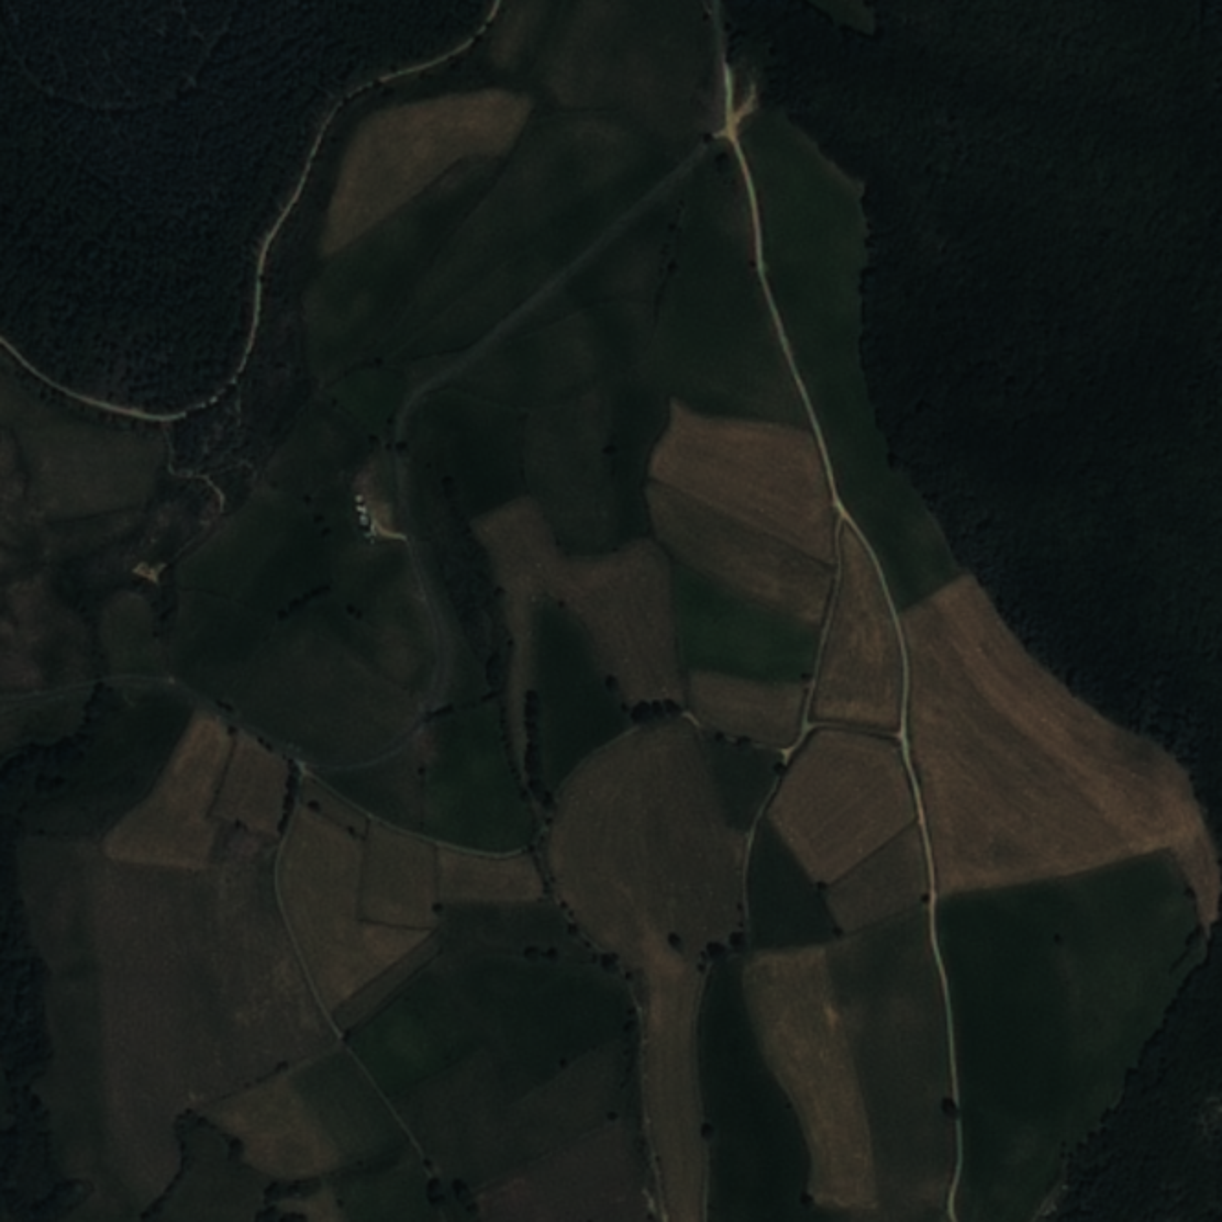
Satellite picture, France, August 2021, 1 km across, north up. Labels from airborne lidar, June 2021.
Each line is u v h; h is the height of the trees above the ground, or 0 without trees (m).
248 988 0
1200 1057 14
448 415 0
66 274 7
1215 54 22
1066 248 19
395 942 0
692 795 0
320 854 0
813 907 0
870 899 0
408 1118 0
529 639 0
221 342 18
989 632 0
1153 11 21
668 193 0
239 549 0
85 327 16
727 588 0
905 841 0
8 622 0
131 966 0
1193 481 14
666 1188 0
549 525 0
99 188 18
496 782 0
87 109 12
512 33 0
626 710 10
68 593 0
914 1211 0
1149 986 0
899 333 17
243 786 0
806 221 0
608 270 0
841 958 0
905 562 0
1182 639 12
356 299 0
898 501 0
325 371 0
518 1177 0
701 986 0
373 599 0
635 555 0
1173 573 11
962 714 0
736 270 0
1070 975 0
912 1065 0
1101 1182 10
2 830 15
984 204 20
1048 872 0
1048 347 27
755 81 0
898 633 0
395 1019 0
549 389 0
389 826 0
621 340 0
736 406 0
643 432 0
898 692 0
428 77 8
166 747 0
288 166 10
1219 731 11
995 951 0
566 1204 0
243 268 14
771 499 0
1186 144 20
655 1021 0
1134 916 0
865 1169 0
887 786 0
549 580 0
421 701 0
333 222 0
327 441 0
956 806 0
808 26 23
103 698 14
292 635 0
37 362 14
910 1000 0
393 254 0
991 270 23
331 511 0
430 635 0
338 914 0
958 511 9
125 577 0
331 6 19
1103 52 19
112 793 0
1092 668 10
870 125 11
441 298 0
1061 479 19
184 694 0
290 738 0
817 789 0
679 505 0
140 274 15
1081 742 0
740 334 0
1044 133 14
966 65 16
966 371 21
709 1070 0
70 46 17
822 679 0
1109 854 0
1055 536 15
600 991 0
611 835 0
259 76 15
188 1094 0
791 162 0
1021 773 0
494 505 0
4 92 20
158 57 17
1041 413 27
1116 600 17
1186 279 22
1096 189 15
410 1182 0
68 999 0
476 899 0
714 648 0
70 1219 0
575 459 0
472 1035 0
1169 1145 16
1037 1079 0
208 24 16
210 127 13
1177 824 0
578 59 0
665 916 0
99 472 0
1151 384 30
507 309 0
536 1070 0
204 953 0
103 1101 0
